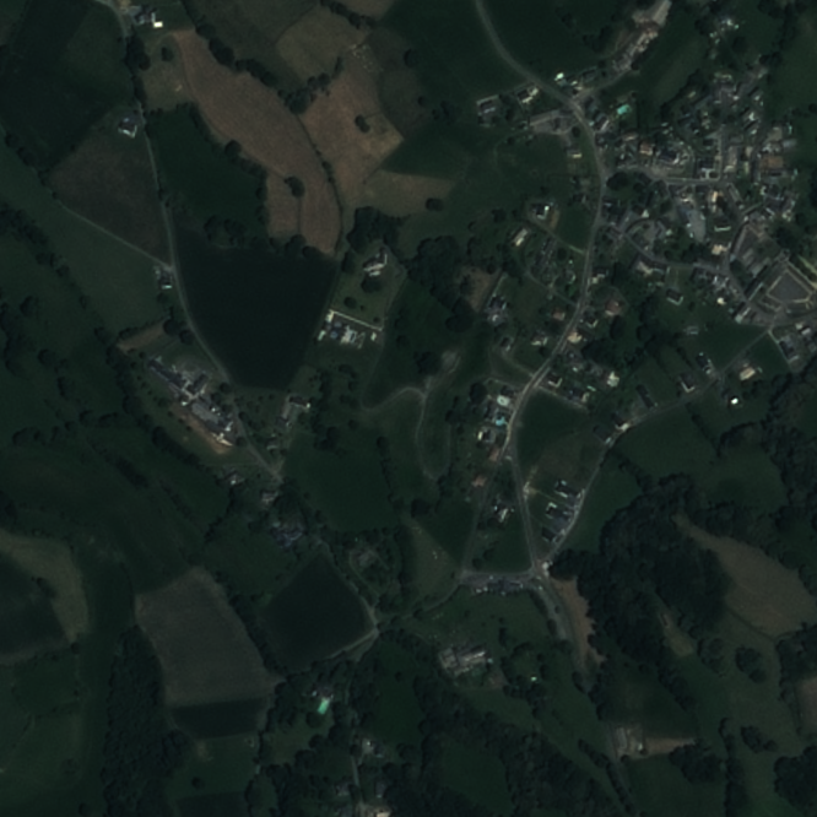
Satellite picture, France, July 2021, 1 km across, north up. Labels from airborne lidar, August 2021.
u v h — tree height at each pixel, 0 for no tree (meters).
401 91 0
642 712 0
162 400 6
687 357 10
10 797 0
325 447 12
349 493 0
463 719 24
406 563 9
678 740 0
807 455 22
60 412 7
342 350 0
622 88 0
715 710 0
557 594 0
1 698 0
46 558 0
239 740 0
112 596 0
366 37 0
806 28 0
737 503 11
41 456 0
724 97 0
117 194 0
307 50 0
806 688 0
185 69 0
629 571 26
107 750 10
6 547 0
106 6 0
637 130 7
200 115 15
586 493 0
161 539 0
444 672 21
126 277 0
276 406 0
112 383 0
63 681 0
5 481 0
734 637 0
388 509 0
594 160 0
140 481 11
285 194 0
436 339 0
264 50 0
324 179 0
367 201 0
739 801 20
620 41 0
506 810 0
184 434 0
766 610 0
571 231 0
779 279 0
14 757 0
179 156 0
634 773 0
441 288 24
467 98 0
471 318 22
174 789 0
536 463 0
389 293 0
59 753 0
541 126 0
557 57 0
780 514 7
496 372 0
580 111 0
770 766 0
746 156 12
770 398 0
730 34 0
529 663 0
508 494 7
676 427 0
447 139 0
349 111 0
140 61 23
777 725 0
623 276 13
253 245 15
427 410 0
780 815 0
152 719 13
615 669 14
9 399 0
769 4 18
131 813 16
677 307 0
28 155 14
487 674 6
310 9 0
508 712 0
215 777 0
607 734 0
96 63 0
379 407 0
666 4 0
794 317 0
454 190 0
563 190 0
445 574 0
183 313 14
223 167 0
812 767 21
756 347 0
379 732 0
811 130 0
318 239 0
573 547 0
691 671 0
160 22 0
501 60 0
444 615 0
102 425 14
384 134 0
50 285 0
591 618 18
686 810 0
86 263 0
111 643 0
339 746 20
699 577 21
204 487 0
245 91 0
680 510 16
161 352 0
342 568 14
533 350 0
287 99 6
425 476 0
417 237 0
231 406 8
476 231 14
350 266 19
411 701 0
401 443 0
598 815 24
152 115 8
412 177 0
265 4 0
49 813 0
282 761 0
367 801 7
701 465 0
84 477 0
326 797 12
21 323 17
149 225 0
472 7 0
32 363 0
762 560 0
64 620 0
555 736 0
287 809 22
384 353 0
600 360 22
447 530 0
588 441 0
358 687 7
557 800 22
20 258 0
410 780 17
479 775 0
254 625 16
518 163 0
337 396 0
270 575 0
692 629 13
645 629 22
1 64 9
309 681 8
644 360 10
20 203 0
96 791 0
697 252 17
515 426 0
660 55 0
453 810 21
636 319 0
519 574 0
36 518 0
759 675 18
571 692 0
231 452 0
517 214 12
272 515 13
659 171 0
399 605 9
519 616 0
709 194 0
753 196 13
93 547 0
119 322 0
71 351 0
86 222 0
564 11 10
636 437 0
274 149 0
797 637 7
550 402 0
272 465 0
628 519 21
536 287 0
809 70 0
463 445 0
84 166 0
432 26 0
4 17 0
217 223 18
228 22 0
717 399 0
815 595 12
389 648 0
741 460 0
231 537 0
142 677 15
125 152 0
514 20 0
